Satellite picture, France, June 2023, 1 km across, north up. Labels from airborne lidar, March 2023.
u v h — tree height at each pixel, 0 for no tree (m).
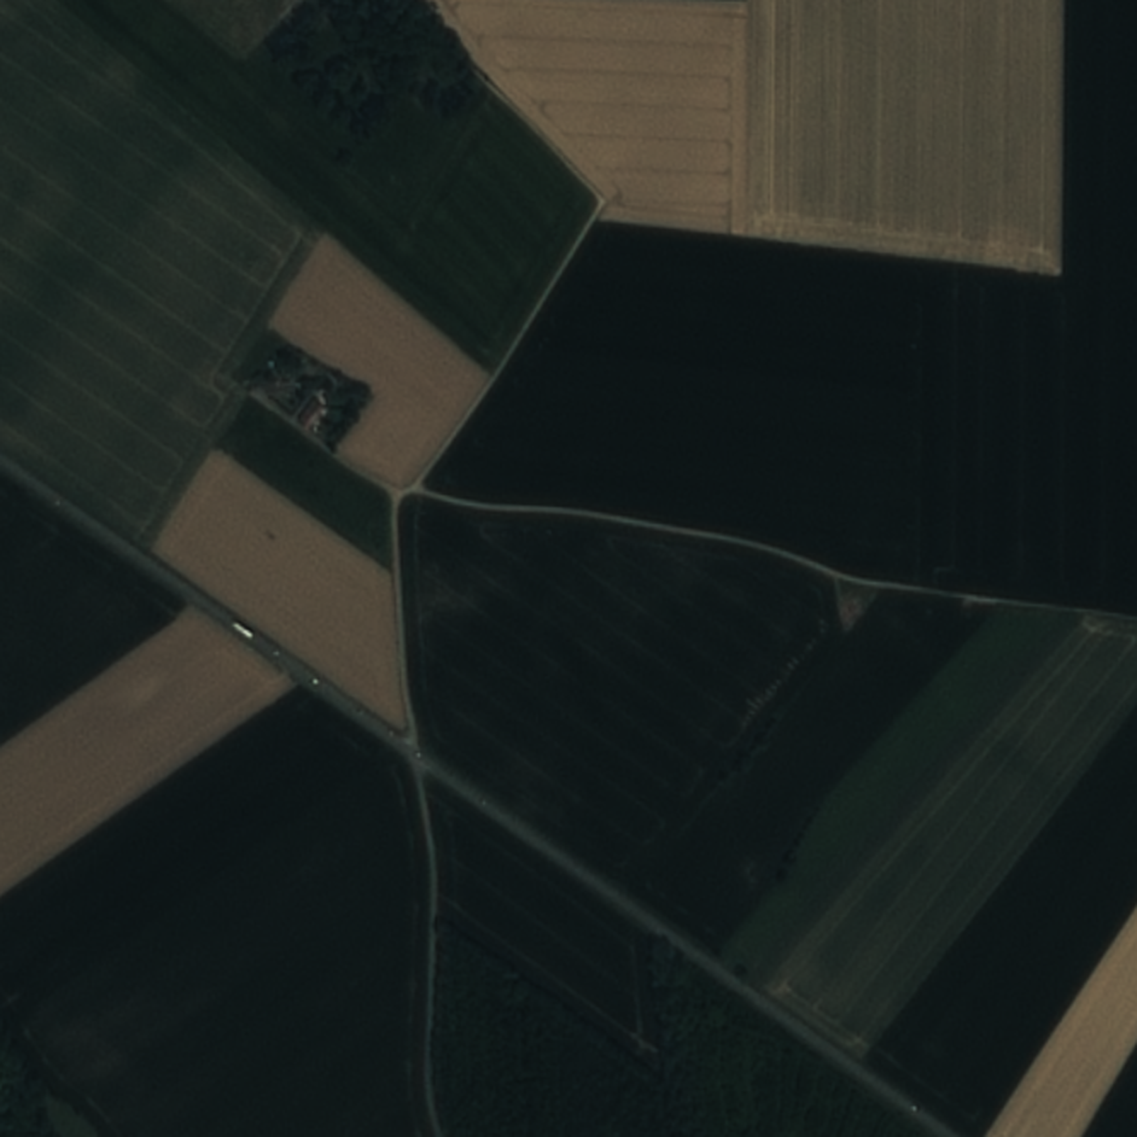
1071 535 0
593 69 0
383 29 23
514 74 0
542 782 0
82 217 0
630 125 0
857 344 0
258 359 0
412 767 0
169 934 0
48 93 0
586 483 0
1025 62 0
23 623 0
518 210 0
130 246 0
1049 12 0
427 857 0
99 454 0
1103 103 0
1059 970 0
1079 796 0
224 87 0
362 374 0
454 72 15
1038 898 0
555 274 0
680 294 0
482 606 0
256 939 0
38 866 0
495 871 0
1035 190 0
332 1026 0
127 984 0
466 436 0
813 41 0
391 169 0
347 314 0
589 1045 16
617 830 0
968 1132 0
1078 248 0
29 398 0
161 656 0
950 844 0
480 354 0
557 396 0
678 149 0
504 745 0
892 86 0
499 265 0
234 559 0
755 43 0
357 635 0
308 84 18
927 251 0
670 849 0
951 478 0
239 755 0
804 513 0
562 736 0
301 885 0
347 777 0
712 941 0
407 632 0
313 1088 0
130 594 0
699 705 0
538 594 0
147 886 0
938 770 0
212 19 0
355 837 0
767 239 0
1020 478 0
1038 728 0
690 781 0
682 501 0
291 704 0
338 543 0
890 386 0
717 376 0
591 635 0
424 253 0
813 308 0
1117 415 0
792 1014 0
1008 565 0
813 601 0
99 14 0
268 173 0
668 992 17
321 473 0
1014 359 0
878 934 0
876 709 0
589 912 0
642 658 0
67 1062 0
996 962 0
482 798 0
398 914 0
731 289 0
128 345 0
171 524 0
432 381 0
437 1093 10
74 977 0
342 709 0
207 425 0
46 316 0
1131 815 0
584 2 0
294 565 0
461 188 0
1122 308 0
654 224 0
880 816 0
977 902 0
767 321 0
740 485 0
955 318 0
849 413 0
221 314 0
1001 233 0
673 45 0
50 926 0
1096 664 0
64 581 0
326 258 0
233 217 0
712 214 0
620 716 0
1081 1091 0
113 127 0
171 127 0
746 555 0
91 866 0
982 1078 0
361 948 0
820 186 0
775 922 0
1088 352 0
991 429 0
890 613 0
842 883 0
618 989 0
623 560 0
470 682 0
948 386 0
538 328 0
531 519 0
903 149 0
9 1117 26
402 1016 0
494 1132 16
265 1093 0
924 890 0
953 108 0
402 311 0
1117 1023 0
